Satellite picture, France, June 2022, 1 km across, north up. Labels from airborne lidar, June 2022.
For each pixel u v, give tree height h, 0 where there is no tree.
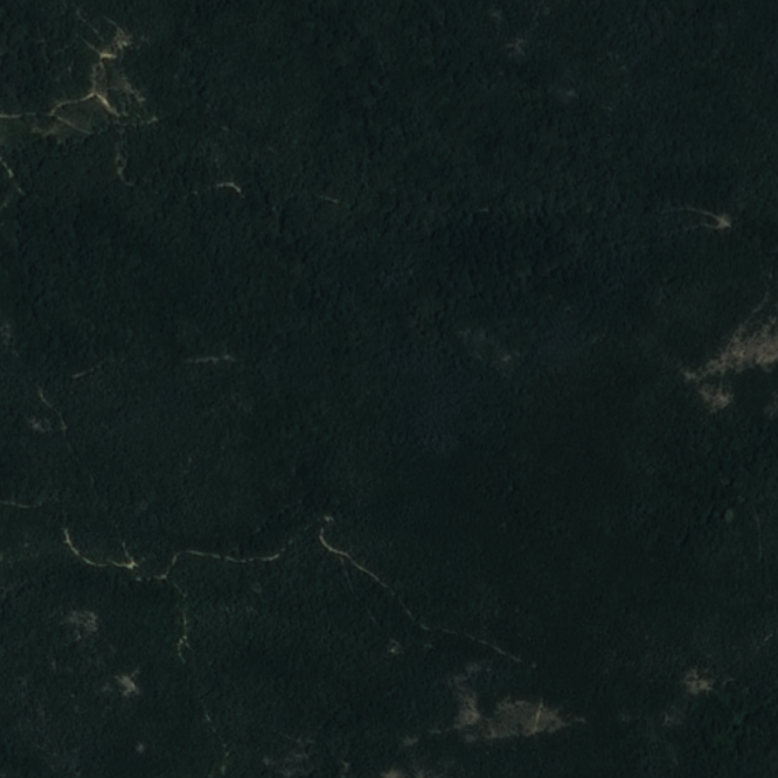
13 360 9
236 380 8
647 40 10
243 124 12
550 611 8
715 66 10
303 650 8
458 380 12
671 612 6
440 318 12
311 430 12
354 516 10
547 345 12
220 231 8
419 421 14
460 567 8
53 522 6
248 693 8
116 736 7
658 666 13
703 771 14
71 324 10
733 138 8
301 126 10
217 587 9
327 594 9
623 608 10
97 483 7
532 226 20
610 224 13
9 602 15
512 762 13
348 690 13
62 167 13
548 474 13
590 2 7
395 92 9
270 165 14
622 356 11
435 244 21
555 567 10
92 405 9
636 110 6
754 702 7
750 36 6
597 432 16
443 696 12
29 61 9
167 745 6
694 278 9
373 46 10
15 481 11
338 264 13
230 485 5
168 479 12
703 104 8
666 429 10
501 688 8
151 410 9
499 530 11
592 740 10
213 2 14
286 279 13
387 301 15
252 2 19
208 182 11
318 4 17
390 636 6
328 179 12
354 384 11
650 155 11
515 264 18
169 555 8
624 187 7
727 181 9
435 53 9
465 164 10
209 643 8
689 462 14
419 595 6
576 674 9
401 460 9
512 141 11
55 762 5
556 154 13
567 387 9
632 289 18
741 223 10
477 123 14
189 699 8
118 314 8
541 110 9
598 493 17
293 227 16
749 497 16
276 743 8
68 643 9
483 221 19
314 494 11
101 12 7
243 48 8
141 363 10
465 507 11
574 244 15
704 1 7
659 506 14
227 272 10
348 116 18
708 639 9
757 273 6
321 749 7
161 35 10
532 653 9
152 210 13
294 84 9
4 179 12
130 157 10
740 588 11
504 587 9
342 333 18
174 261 9
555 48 8
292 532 10
